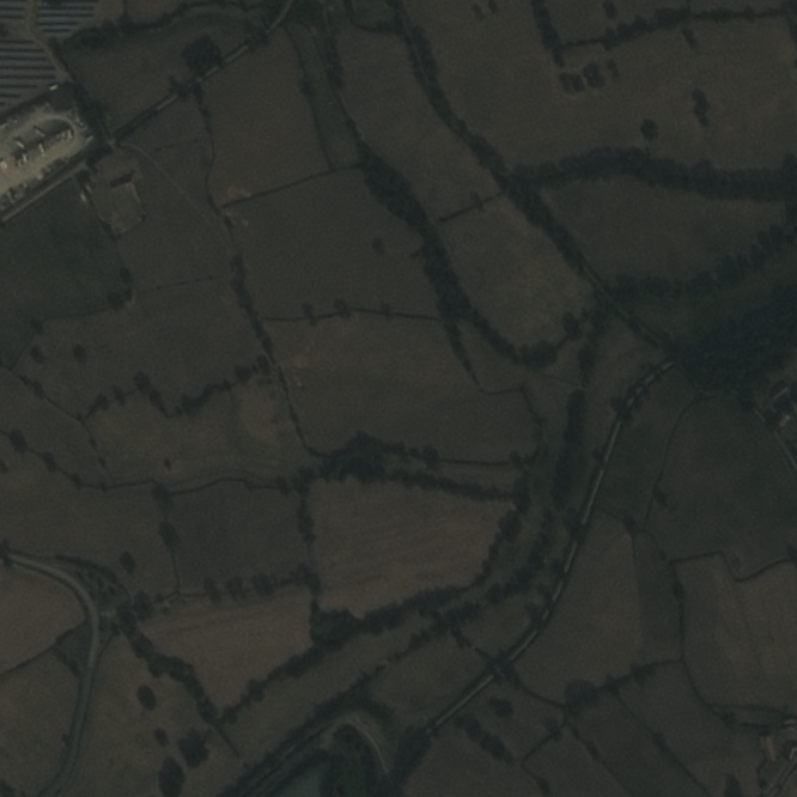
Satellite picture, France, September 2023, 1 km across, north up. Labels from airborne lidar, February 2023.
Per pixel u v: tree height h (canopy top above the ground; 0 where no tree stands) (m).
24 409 0
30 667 0
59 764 0
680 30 0
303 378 0
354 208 0
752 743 0
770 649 0
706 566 0
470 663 0
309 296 0
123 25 16
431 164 0
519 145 0
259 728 0
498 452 0
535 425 10
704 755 0
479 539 0
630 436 0
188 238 0
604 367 0
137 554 0
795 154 0
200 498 0
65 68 8
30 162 0
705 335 0
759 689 0
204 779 0
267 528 0
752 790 0
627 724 0
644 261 0
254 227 0
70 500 0
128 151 0
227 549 0
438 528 0
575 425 15
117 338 0
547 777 0
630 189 0
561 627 0
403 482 10
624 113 0
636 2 0
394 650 0
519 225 0
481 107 0
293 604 0
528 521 0
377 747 0
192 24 0
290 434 0
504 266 0
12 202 0
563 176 14
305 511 10
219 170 0
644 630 0
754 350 27
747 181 19
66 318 0
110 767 0
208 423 0
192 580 0
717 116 0
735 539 0
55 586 0
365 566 0
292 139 0
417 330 0
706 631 0
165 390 0
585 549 0
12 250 0
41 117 0
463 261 0
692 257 0
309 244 0
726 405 0
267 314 0
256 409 0
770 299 0
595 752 18
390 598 0
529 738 0
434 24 0
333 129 0
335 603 0
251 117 0
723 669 0
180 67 0
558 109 0
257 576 0
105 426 0
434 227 0
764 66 0
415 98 0
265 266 0
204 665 0
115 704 0
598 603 0
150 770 0
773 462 0
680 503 0
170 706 0
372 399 0
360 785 0
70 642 0
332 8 0
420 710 0
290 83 0
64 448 0
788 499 0
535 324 0
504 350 14
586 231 0
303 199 0
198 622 0
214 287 0
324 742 0
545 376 0
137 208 0
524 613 0
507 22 0
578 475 0
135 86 0
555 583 0
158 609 11
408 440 0
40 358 11
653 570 0
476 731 20
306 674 0
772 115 0
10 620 0
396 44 0
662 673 0
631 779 0
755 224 0
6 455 0
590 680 0
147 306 0
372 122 0
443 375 0
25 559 0
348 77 0
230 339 0
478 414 0
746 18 7
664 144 0
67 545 0
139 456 0
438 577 0
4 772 0
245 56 0
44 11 0
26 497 0
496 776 0
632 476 0
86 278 0
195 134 0
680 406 0
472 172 0
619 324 0
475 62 0
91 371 0
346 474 6
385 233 0
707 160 0
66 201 0
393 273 0
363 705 0
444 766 0
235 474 0
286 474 0
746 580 0
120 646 0
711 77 0
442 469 0
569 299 0
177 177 0
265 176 0
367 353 0
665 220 0
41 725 0
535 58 0
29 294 0
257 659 0
